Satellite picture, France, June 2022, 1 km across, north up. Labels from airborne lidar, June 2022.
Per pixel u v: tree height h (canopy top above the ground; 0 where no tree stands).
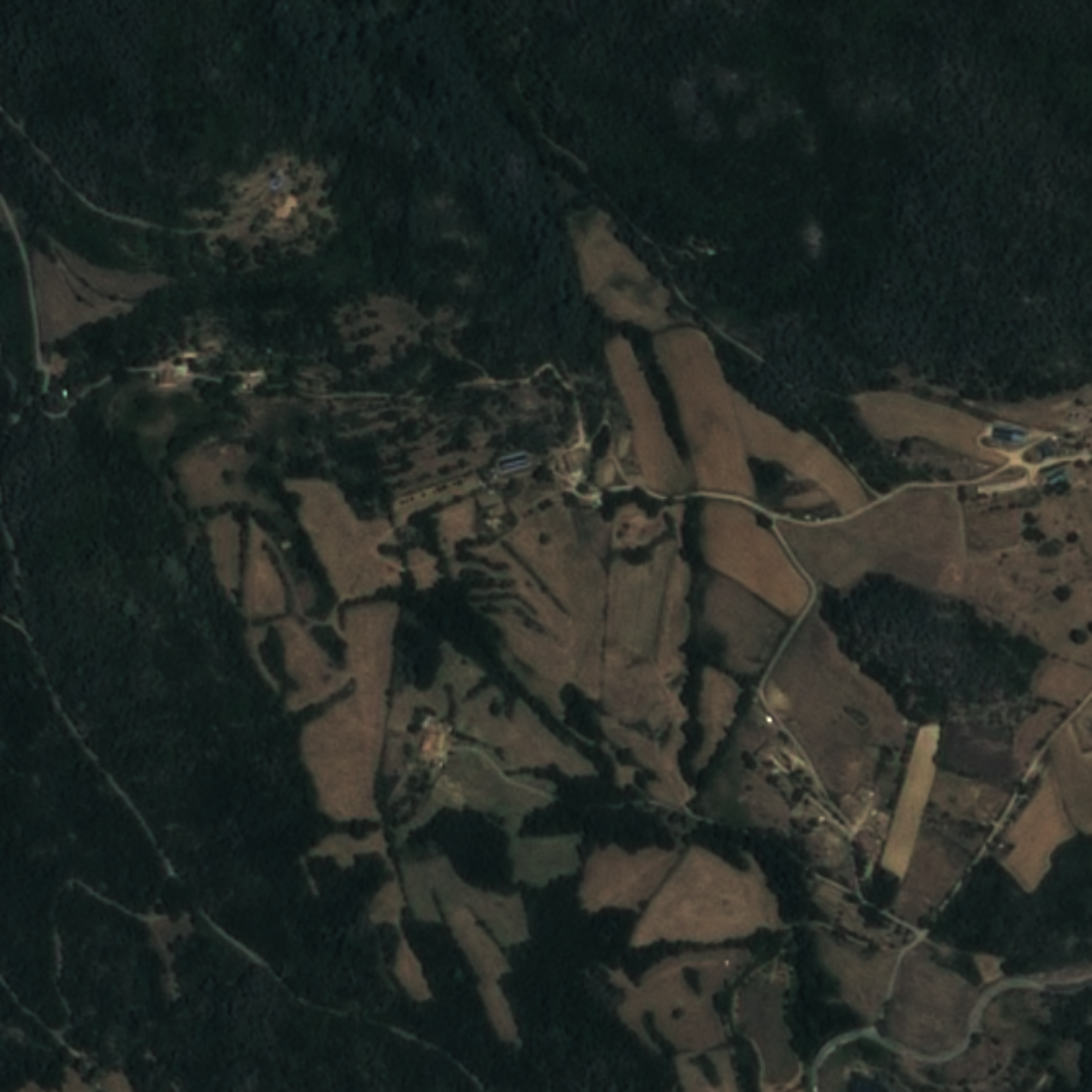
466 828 16
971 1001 0
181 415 0
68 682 8
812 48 9
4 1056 11
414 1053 8
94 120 11
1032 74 13
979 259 12
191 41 10
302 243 10
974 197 6
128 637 12
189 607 8
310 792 10
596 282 0
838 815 5
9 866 8
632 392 0
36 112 9
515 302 6
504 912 0
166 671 9
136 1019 9
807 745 0
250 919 8
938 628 8
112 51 14
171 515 6
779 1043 0
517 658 0
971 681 7
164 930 0
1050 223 8
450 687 8
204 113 6
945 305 10
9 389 7
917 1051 0
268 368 9
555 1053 12
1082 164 8
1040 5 9
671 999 0
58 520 12
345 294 10
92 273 0
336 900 8
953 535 0
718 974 0
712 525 0
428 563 0
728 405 0
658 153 12
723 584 0
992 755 0
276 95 10
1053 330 8
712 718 0
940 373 12
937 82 12
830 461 0
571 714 14
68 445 10
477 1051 14
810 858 8
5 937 6
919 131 8
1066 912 9
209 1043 9
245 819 17
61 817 6
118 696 11
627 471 0
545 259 29
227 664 6
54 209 8
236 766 10
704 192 13
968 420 0
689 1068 0
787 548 0
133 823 8
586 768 0
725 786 0
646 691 0
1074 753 0
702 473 0
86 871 11
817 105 10
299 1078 9
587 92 13
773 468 8
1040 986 0
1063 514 0
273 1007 16
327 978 10
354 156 10
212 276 6
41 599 6
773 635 0
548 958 9
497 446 7
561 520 0
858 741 0
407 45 29
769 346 11
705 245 8
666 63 12
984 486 0
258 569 0
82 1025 8
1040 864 0
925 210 9
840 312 10
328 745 0
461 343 10
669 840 8
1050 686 0
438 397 9
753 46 6
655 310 0
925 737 0
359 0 17
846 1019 6
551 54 12
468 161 26
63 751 6
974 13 11
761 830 11
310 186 8
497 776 0
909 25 10
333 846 0
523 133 23
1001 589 0
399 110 20
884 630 11
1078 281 9
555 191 20
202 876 9
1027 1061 9
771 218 9
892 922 6
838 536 0
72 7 13
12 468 8
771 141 6
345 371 9
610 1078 7
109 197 10
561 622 0
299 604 0
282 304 10
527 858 0
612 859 0
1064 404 0
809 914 20
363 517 8
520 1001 8
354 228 9
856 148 10
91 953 7
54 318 0
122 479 8
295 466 9
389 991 8
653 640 0
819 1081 0
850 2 11
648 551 9
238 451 0
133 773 8
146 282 0
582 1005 14
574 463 0
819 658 0
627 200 10
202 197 9
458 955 10
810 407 7
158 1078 11
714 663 6
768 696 0
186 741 13
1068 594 18
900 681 6
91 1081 12
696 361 0
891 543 0
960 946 7
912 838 0
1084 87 13
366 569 0
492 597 7
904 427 0
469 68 29
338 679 0
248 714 6
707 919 0
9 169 6
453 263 7
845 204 11
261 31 15
